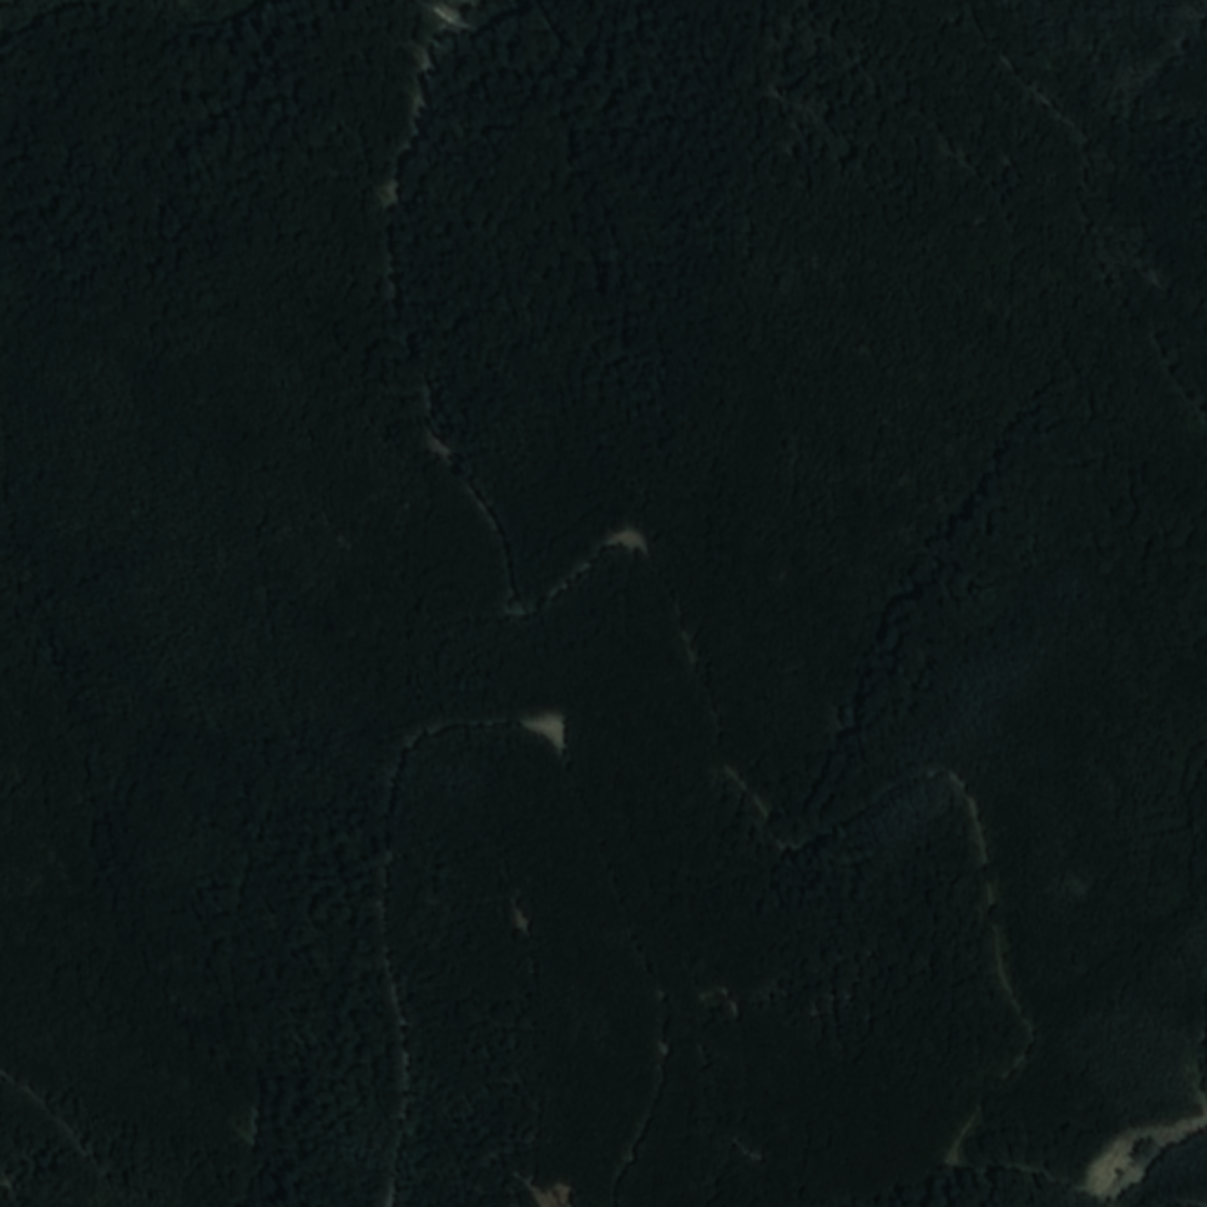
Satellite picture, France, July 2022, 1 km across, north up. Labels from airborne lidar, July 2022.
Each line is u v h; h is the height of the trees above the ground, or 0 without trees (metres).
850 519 34
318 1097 21
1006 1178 28
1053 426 28
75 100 21
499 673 12
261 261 17
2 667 26
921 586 36
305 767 18
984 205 20
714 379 23
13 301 23
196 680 22
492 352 16
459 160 20
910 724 23
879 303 21
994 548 28
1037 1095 16
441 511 27
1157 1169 16
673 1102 23
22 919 27
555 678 14
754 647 15
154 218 21
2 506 23
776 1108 21
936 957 24
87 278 6
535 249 21
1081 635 12
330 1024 8
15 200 29
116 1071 22
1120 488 25
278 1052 19
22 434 22
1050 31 20
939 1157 11
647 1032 24
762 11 12
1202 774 24
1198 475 24
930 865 22
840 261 20
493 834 12
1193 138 15
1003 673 9
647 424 16
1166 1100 15
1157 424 28
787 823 33
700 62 19
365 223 22
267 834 10
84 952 28
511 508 12
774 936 14
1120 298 18
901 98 20
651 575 13
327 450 29
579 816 27
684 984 24
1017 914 11
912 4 11
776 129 23
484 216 18
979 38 26
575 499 11
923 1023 22
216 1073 29
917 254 17
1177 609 26
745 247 13
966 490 20
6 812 33
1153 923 17
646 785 28
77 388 22
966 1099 23
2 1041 20
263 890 19
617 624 14
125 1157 30
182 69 11
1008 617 11
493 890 11
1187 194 19
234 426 21
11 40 21
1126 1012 16
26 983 17
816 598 20
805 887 14
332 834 10
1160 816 16
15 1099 23
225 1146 19
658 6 27
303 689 17
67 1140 15
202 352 22
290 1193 25
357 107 23
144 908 30
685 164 18
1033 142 18
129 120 16
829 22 27
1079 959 16
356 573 29
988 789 18
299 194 15
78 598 25
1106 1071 18
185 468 22
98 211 15
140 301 27
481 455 24
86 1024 20
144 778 28
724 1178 15
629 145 20
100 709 25
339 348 20
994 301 22
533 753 13
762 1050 21
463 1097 14
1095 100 20
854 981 25
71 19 26
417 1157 16
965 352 26
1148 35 28
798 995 23
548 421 19
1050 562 16
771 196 20
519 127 15
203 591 24
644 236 19
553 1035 16
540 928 15
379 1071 16
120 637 22
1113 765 17
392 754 17
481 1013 15
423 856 12
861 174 25
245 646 22
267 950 18
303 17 29
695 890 26
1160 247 28
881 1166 26
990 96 21
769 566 22
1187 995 14
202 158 28
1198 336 27
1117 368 24
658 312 22
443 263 15
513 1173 15
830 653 13
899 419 32
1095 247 23
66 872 22
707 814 27
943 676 17
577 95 31
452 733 13
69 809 28
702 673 12
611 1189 26
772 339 19
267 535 17
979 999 29
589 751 22
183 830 16
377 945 19
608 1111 22
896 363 21
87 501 22
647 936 27
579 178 28
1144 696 11
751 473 17
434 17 9
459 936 10
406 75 29
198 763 20
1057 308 22
